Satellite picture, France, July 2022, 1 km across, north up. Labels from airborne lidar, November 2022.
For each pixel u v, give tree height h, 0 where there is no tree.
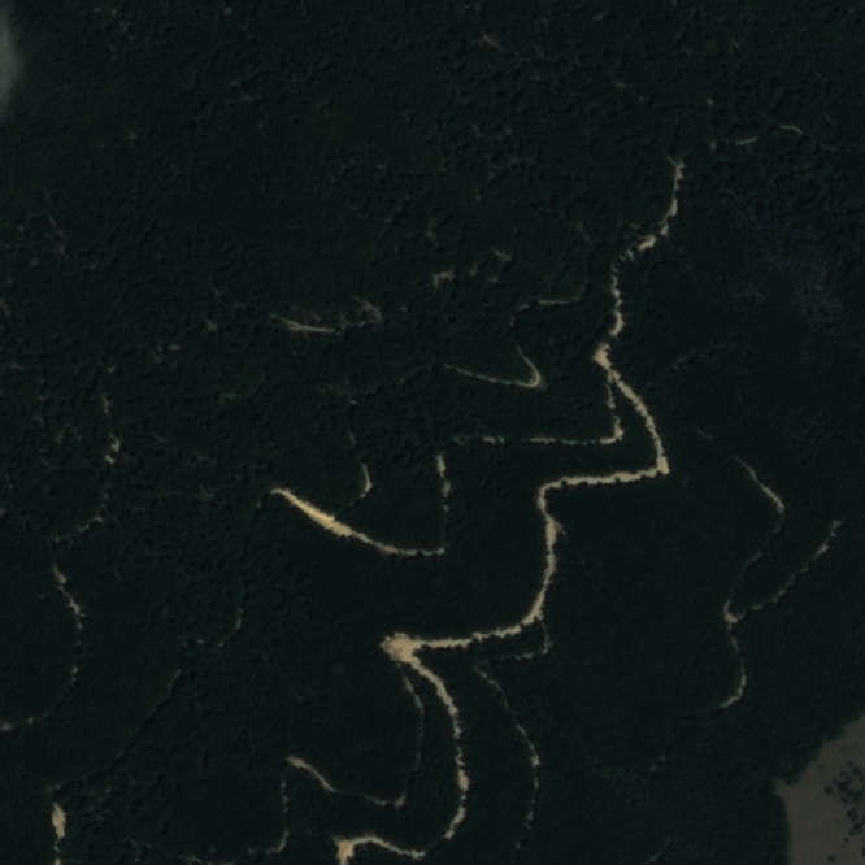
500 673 25
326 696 23
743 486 18
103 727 21
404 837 19
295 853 18
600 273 22
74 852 22
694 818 16
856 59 21
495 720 20
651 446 15
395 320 23
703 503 18
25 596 16
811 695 24
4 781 26
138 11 23
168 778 20
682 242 23
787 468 21
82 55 17
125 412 24
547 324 24
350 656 24
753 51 23
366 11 17
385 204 26
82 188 27
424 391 17
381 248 15
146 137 11
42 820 20
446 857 21
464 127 19
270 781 18
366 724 19
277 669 19
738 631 15
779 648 18
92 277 19
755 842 16
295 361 25
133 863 29
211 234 19
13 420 22
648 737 23
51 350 20
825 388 29
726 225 21
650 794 17
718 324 24
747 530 18
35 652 24
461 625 21
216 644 17
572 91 26
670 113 18
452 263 27
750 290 24
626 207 19
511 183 21
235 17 7
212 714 19
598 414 14
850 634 20
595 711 15
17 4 19
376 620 25
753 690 17
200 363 18
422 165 14
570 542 21
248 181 15
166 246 20
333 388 25
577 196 21
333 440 21
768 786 21
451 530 19
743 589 18
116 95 18
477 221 17
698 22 24
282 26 22
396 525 18
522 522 20
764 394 22
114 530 20
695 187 26
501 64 25
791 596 16
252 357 20
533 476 24
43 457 21
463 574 13
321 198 18
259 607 21
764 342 24
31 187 8
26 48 14
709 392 21
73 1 19
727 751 19
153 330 19
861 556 17
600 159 21
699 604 14
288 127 16
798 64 17
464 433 17
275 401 16
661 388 21
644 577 22
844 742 0
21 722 23
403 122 20
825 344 28
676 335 22
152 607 28
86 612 19
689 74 18
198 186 22
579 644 17
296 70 14
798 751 21
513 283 23
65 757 22
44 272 17
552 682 16
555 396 14
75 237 19
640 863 19
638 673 18
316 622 28
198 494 20
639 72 21
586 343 23
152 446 21
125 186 25
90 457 24
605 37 26
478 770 20
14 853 20
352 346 23
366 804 24
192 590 20
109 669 21
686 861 17
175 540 20
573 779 21
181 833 19
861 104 24
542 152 21
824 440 23
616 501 22
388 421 22
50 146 18
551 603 20
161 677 23
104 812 28
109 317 14
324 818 23
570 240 20
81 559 25
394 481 20
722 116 22
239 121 16
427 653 24
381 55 16
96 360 23
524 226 18
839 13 20
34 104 15
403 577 21
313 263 14
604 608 20
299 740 22
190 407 24
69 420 20
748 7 20
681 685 20
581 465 21
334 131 16
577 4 18
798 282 36
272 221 15
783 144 27
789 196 28
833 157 23
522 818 20
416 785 18
